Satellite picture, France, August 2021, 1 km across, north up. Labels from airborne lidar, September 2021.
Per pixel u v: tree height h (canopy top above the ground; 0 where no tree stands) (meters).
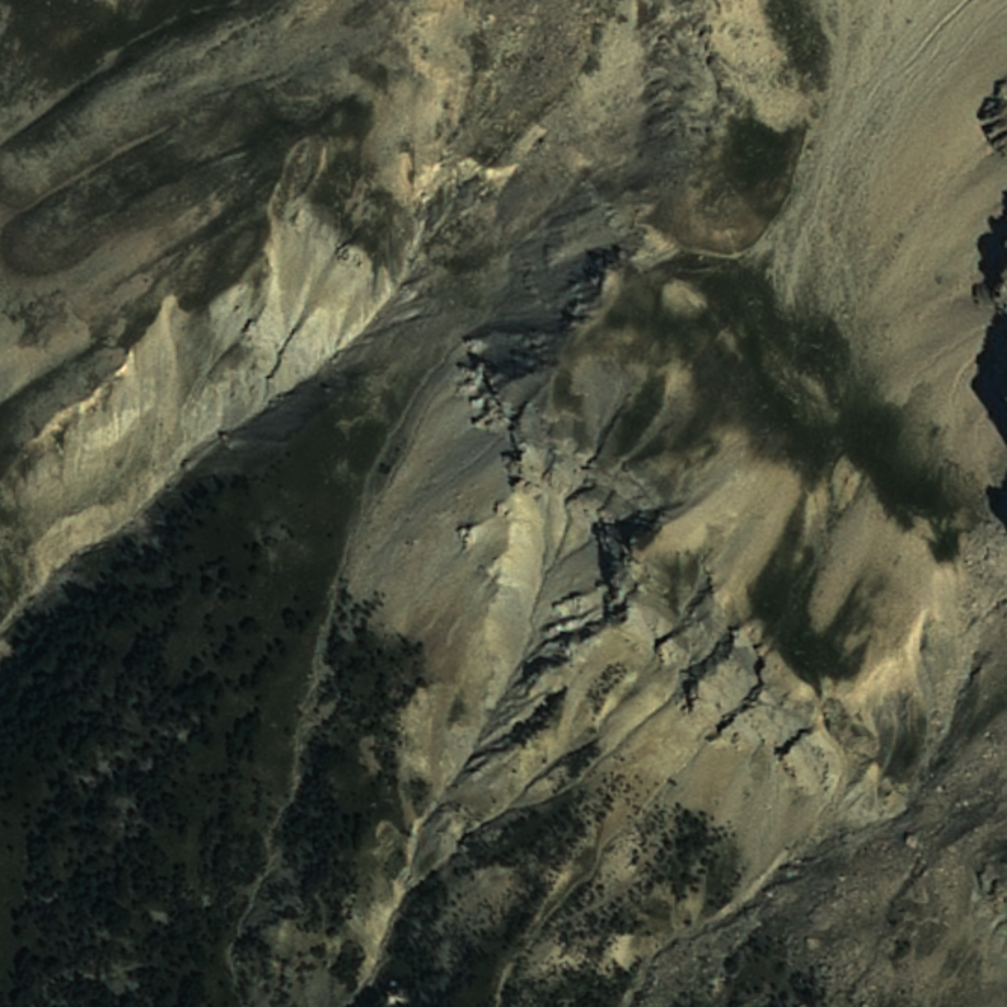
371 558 0
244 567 0
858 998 0
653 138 0
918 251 0
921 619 0
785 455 0
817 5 0
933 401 0
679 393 0
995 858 0
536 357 0
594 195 0
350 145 0
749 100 0
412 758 0
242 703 0
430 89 0
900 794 0
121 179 0
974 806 0
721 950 0
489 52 0
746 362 0
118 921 24
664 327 0
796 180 0
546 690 0
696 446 0
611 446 0
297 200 0
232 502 0
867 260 0
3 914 0
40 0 0
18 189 0
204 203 0
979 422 0
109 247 0
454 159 0
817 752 0
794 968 0
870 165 0
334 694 9
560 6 0
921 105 0
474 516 0
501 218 0
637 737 0
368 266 0
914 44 0
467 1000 0
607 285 0
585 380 0
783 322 0
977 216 0
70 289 0
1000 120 0
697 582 0
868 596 0
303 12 0
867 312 0
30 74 0
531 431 0
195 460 0
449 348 0
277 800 0
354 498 0
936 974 0
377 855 0
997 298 0
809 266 0
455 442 0
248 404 0
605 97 0
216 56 0
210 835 10
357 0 0
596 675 0
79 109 0
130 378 0
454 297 0
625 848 0
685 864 9
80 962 8
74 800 22
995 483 0
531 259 0
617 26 0
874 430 0
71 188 0
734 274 0
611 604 0
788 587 0
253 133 0
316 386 0
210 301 0
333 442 0
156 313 0
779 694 0
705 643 0
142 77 0
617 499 0
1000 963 0
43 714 18
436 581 0
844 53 0
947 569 0
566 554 0
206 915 6
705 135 0
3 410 0
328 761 18
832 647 0
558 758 0
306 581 0
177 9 0
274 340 0
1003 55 0
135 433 0
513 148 0
